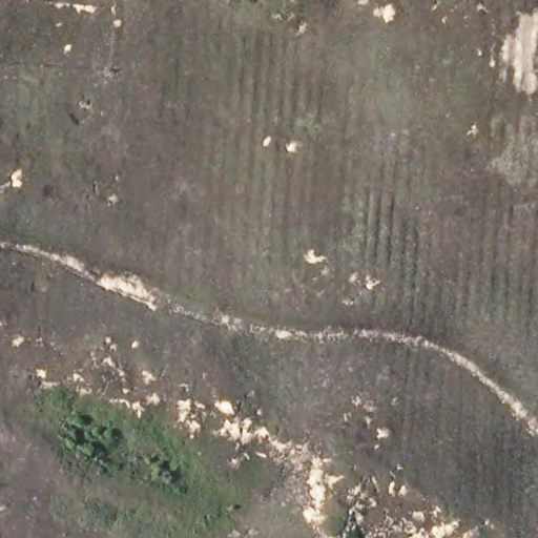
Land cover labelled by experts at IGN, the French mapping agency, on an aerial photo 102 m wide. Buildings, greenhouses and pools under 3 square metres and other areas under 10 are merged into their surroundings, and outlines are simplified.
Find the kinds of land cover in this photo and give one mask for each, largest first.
<instances>
[{"label":"herbaceous vegetation","instance_id":"1","mask_svg":"<svg viewBox=\"0 0 538 538\"><path fill-rule=\"evenodd\" d=\"M57 2H74V4H92V6H95V13H78L76 8H55V4H57ZM538 11V0H0V240L15 244H32L48 252L74 256L86 269L97 267L107 277H139L147 290L158 288L162 292L172 294V303L151 311L147 309V305L135 301L128 294H122L120 290H107L101 284L88 282L67 265L36 256L32 252L0 248V538H317L305 515L290 513L284 506H280V498H271L273 488H284L286 479L290 477V471L294 469L292 464L284 467L273 460L256 456L240 462L237 467H231V450L235 448L231 437L214 433L208 435L200 429L195 431V437H189V427L181 425L179 429H174L172 425H164L168 406L162 401L149 404L147 397L153 393L158 397L162 393L172 395L179 382L200 385L202 378H210V382L216 385L219 395L233 406L237 418H250V429L263 427L269 433H273L280 441L307 443L309 452H313L317 458L332 460L322 471L328 475H340L343 479L324 494L322 515L330 536L347 538H366V534L372 527L382 525L385 517H393L395 523H399L401 519H410L414 511H422L427 519L433 515V506H441L443 515L450 521L456 519V530L460 534L473 530V538H538V435L530 433L527 425L513 414L511 406H506L490 387L479 382L477 376H473L467 368L458 366L450 357L429 351L425 347L412 351L404 343H393L387 338H364L361 330H385L408 336H425L431 343L443 345L469 357L504 391L517 397L525 412H530L538 420V38L534 50V92L517 90L515 80H500L502 67H490V44H498L502 48L506 36H515L521 15H534ZM118 19L120 27L116 32L111 78L107 86L97 88L92 84L99 76L90 69V59L92 53L101 55V61L107 65L109 46L103 40V34ZM223 315H235V317H242V330H237V332H231V330H227V328H225V326L221 324V317H223ZM99 324H107V332L111 340L118 345V349L103 347V351H97V355L111 357L113 364L97 368L95 376L90 378V395H78L67 387L44 389L40 385L38 370L48 372L53 366L63 361V355L50 347V340L69 343L74 338L95 332ZM252 324L273 326L277 330L305 332H319L324 328H332L345 330L347 334L345 338L332 340H292L263 334L254 336L250 334ZM111 397L139 401L143 414L137 416L135 410L109 404ZM80 414H88L103 427L122 431L124 441L111 452L113 460H124L122 471H116L109 477L101 475V469L90 471V483H86L76 473H67L63 464L57 460V456L50 452V446L40 439L44 431H65L67 425L78 427Z\"/></svg>","mask_w":538,"mask_h":538},{"label":"bare soil","instance_id":"2","mask_svg":"<svg viewBox=\"0 0 538 538\"><path fill-rule=\"evenodd\" d=\"M55 8H76L78 13H95V6H92V4H74V2H57V4H55ZM538 38V11L534 15H521L515 36H506L502 48L498 44H490V67H502L500 80H515L517 90L534 92V50ZM120 27L118 19L103 34V40L109 46L107 65L101 61V55L92 53L90 59V69L99 76L92 84L97 88L107 86L111 78L116 32ZM50 347L63 355V361L53 366L48 372L38 370L40 385L44 389L67 387L78 395H90V378L95 376L97 368L113 364L111 357L97 355V351H103V347L118 349V345L111 340L107 332V324H99L95 332L74 338L69 343L50 340ZM149 404L162 401L168 406L164 425H172L174 429H179L181 425L189 427V437H195V431L200 429L208 435L214 433L231 437L235 448L231 450V467H237L240 462L256 456L273 460L284 467L292 464L294 469L290 471V477L286 479L284 488H273L271 498H280V506H284L290 513L305 515L317 538H347L330 536L322 515L324 494L343 479L340 475H328L322 471L332 460L317 458L313 452H309L307 443L280 441L273 433H269L263 427L250 429V418H237L233 406L219 395L216 385L210 382V378H202L200 385L179 382L172 395L162 393L158 397L153 393L147 397ZM109 404L135 410L137 416L143 414L139 401L111 397ZM456 519L450 521L443 515L441 506H433V515L427 519L422 511H414L410 519H401L399 523H395L393 517H385L382 525L372 527L366 534V538H473V530L460 534L456 530Z\"/></svg>","mask_w":538,"mask_h":538},{"label":"pervious surface","instance_id":"3","mask_svg":"<svg viewBox=\"0 0 538 538\"><path fill-rule=\"evenodd\" d=\"M0 248L32 252L36 256L67 265L88 282L101 284L107 290H120L122 294H128L135 301L147 305V309L151 311L172 303V294L162 292L158 288L147 290L139 277H107L97 267L86 269L74 256L48 252L32 244H15L0 240ZM221 324L225 326V328H227V330H231V332H237V330H242V317H235V315H223V317H221ZM250 334L254 336L263 334L292 340H332L345 338L347 334L345 330L332 328H324L319 332H305L277 330L273 326L252 324ZM364 338H387L393 343H404L412 351L425 347L429 351L450 357L458 366L467 368L473 376H477L479 382L490 387L506 406H511L513 414L527 425L530 433L538 435V420L530 412H525L517 397L504 391L469 357L443 345L431 343L425 336H408L385 330H361Z\"/></svg>","mask_w":538,"mask_h":538},{"label":"brushwood","instance_id":"4","mask_svg":"<svg viewBox=\"0 0 538 538\"><path fill-rule=\"evenodd\" d=\"M40 439L50 446V452L57 456V460L63 464L67 473H76L86 483H90V471L101 469V475L109 477L116 471H122L124 460H113L111 452L124 441L122 431L103 427L88 414H80L78 427L67 425L65 431H44Z\"/></svg>","mask_w":538,"mask_h":538}]
</instances>
